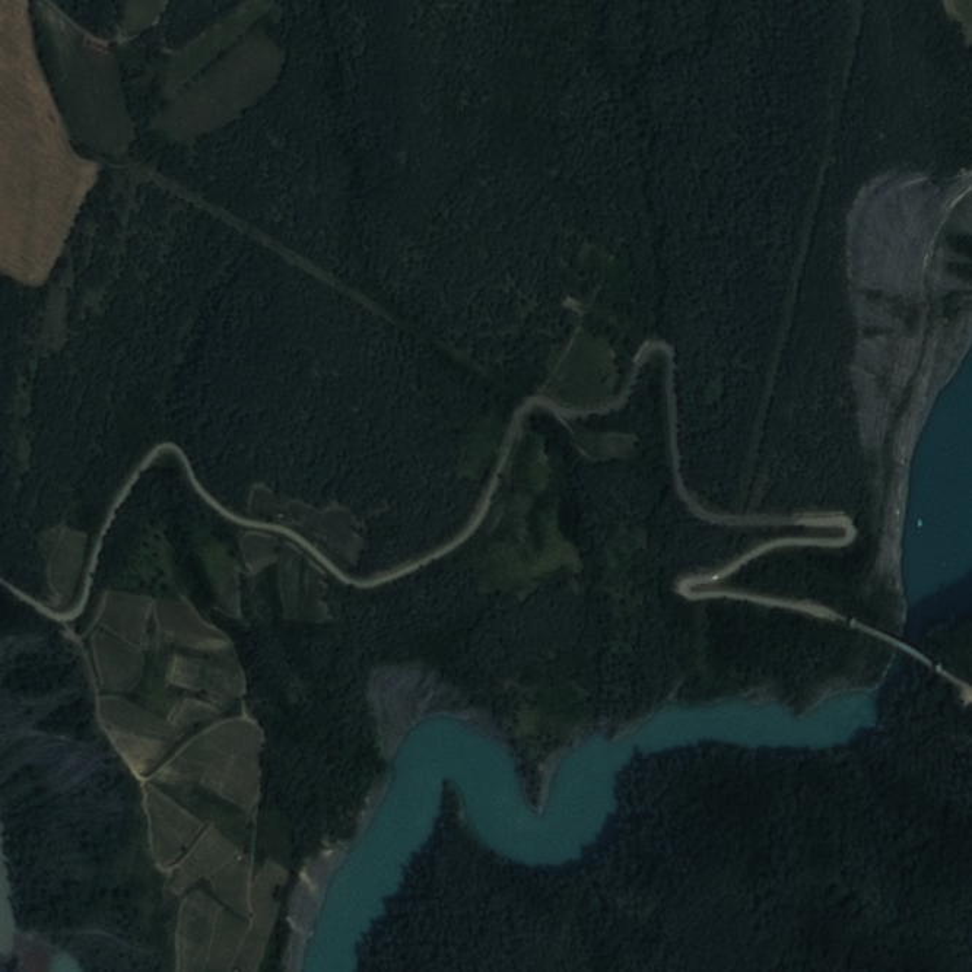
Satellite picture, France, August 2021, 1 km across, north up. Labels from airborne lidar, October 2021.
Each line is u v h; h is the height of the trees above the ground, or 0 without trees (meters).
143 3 0
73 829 7
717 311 9
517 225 12
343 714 13
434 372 15
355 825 10
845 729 0
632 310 14
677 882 12
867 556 13
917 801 20
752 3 6
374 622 10
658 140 13
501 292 10
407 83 11
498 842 0
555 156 11
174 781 0
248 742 0
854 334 8
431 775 0
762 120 7
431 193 11
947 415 0
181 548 10
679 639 12
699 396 10
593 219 13
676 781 14
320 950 0
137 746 0
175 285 13
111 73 0
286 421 12
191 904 0
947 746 7
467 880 15
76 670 13
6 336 7
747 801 18
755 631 8
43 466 8
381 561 11
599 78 11
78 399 9
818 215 7
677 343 9
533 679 18
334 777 18
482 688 8
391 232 12
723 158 8
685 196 12
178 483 16
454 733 0
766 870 7
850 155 6
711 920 13
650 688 14
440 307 12
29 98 0
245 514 8
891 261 0
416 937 9
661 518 17
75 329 11
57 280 8
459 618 14
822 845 14
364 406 8
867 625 6
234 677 0
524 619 10
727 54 10
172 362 13
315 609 0
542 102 11
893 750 11
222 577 0
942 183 55
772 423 9
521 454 0
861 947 22
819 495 8
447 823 6
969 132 10
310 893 0
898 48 7
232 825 0
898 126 7
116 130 0
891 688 16
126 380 12
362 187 13
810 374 9
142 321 11
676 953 13
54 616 0
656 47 11
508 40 10
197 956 0
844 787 13
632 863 9
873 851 12
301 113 11
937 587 0
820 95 9
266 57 0
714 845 12
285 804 12
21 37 0
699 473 12
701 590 0
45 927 9
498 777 0
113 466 13
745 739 0
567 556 0
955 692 14
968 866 14
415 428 14
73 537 0
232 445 13
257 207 11
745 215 10
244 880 0
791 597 7
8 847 10
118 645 0
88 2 7
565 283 10
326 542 0
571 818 0
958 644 12
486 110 12
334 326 11
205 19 9
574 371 0
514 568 0
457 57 12
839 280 9
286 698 11
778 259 7
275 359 13
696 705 0
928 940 12
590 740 0
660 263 18
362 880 0
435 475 13
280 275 10
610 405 0
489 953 12
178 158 6
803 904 15
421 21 7
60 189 0
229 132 8
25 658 12
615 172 12
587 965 12
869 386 0
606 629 11
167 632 0
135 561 11
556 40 14
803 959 14
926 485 0
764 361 10
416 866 16
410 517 11
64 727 12
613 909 13
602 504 12
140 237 9
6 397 12
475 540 7
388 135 12
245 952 0
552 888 6
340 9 14
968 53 11
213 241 10
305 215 10
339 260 7
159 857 0
